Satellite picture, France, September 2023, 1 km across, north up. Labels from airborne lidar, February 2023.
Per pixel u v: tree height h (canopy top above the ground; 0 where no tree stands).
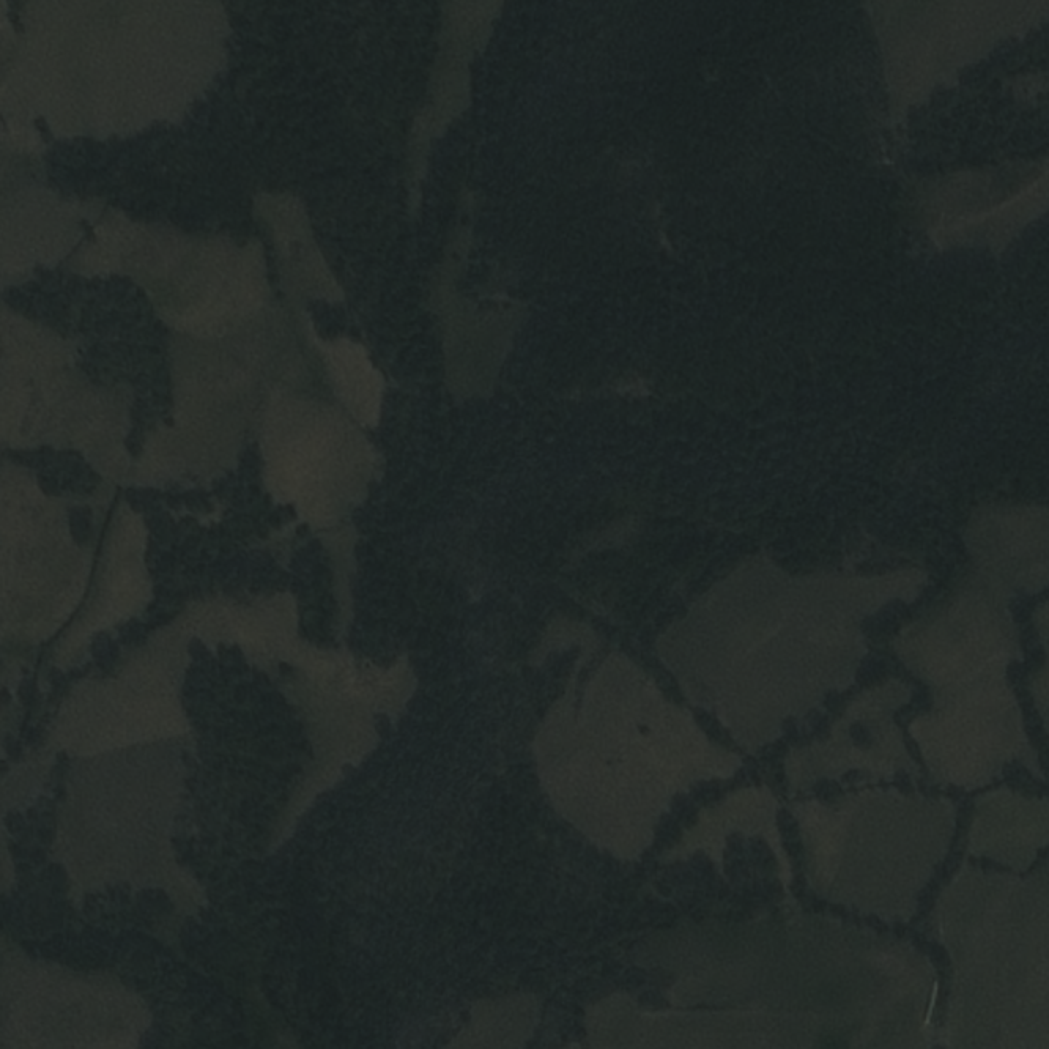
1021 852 0
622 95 10
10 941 0
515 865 19
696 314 9
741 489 16
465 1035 0
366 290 11
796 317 14
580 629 0
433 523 13
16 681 0
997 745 0
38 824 7
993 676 0
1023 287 22
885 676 9
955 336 21
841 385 7
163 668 0
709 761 0
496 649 9
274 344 0
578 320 17
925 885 0
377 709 0
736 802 0
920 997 0
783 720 0
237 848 14
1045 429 23
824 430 14
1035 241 16
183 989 24
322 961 7
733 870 16
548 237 13
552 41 15
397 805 10
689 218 12
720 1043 0
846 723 0
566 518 19
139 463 0
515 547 17
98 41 0
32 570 0
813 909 12
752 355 20
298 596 16
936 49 0
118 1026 0
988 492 8
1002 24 0
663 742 0
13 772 0
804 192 14
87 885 0
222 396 0
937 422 22
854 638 0
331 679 0
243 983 0
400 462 17
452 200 7
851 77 11
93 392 0
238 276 0
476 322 0
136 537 0
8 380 0
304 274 0
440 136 0
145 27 0
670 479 24
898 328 16
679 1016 0
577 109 19
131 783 0
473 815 10
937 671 0
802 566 6
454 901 20
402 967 17
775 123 13
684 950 0
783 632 0
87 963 17
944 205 0
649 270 14
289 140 19
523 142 19
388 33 15
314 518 0
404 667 0
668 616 15
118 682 0
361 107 13
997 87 9
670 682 13
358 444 0
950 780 0
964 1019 0
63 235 0
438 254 18
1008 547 0
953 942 0
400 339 11
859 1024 0
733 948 0
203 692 18
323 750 0
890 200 18
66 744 0
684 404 21
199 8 0
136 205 21
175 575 21
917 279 23
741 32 17
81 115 0
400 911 23
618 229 9
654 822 0
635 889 8
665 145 13
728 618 0
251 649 0
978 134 10
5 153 0
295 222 0
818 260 16
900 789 10
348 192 19
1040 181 0
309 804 0
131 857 0
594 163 17
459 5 0
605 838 0
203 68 0
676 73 17
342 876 18
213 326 0
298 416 0
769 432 23
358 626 7
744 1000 0
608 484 19
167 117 0
